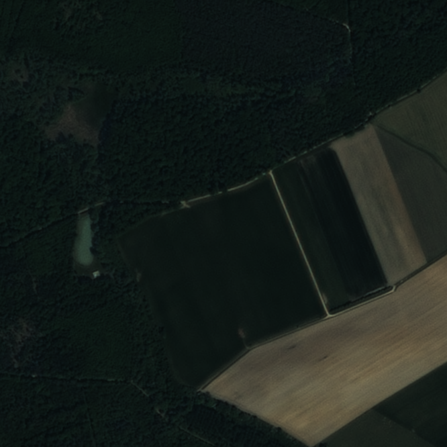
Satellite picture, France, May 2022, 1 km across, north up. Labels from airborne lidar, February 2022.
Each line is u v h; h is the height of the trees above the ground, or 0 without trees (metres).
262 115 29
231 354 0
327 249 0
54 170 22
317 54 21
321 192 0
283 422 0
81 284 23
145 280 0
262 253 0
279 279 0
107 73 19
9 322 17
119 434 10
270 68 21
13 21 11
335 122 7
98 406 6
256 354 0
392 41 26
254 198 0
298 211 0
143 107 26
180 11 19
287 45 21
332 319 0
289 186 0
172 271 0
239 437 26
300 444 6
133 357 16
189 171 23
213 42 21
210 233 0
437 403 0
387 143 0
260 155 28
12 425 12
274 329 0
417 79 17
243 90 0
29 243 11
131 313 19
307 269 0
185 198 15
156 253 0
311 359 0
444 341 0
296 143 21
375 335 0
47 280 8
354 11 21
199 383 0
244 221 0
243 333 0
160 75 21
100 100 0
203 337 0
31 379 19
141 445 14
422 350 0
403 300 0
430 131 0
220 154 29
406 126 0
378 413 0
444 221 0
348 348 0
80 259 0
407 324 0
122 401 6
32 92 25
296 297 0
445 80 0
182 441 16
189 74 25
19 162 26
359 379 0
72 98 19
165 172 24
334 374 0
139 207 23
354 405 0
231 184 23
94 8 10
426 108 0
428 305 0
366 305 0
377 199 0
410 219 0
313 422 0
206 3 23
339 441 0
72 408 27
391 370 0
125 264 12
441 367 0
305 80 27
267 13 21
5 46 17
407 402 0
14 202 28
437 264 0
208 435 13
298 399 0
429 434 0
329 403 0
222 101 19
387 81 19
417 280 0
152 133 23
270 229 0
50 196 28
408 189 0
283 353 0
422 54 22
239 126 28
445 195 0
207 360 0
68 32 9
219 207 0
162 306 0
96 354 15
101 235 13
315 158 0
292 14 21
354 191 0
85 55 14
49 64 17
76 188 16
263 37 22
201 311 0
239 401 0
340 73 25
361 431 0
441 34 24
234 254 0
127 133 26
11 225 22
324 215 0
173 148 23
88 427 10
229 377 0
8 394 12
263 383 0
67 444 30
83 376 13
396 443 0
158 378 17
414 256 0
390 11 27
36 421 24
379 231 0
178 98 26
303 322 0
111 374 14
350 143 0
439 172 0
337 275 0
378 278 0
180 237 0
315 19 20
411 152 0
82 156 34
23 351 17
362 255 0
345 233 0
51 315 8
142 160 24
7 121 23
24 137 25
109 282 19
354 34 20
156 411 8
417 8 30
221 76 19
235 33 20
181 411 21
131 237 0
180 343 0
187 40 18
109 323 17
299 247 0
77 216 19
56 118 15
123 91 0
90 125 0
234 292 0
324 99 15
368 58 24
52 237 9
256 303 0
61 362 13
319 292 0
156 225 0
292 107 27
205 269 0
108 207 27
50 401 24
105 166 23
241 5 20
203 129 25
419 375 0
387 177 0
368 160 0
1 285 14
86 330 16
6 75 22
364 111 9
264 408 0
